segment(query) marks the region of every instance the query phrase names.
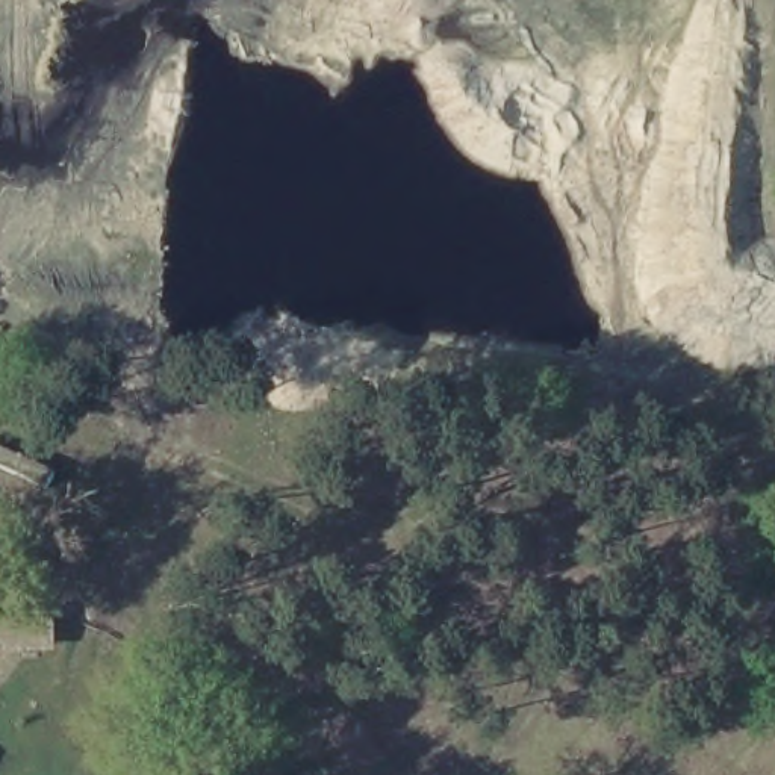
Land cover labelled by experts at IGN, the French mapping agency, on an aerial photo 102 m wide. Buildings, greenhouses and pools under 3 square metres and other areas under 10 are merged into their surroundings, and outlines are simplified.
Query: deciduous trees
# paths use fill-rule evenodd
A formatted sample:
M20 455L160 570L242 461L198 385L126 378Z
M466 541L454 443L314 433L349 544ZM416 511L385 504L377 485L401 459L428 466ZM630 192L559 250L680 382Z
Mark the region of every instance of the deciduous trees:
M54 593L48 590L48 578L54 581L58 575L64 575L70 560L82 560L85 542L79 530L67 527L64 518L82 509L85 490L48 487L42 481L30 487L0 475L0 633L45 633L51 627L54 621L48 618L48 612Z
M269 391L254 384L251 369L239 366L227 336L209 330L200 339L173 339L157 369L157 391L170 400L197 400L209 412L218 412L224 418L230 412L257 412L269 403Z
M121 372L112 372L112 354L103 342L70 342L70 348L61 357L48 360L45 345L33 333L33 321L12 330L0 330L0 448L18 451L39 463L39 457L58 454L61 439L76 433L85 415L112 415L112 388L124 384L124 378Z
M245 775L251 763L263 757L282 757L285 751L297 748L297 736L279 727L282 708L275 705L272 690L251 678L245 669L239 669L224 645L209 642L206 636L191 624L191 612L173 612L170 599L154 602L145 630L139 636L124 636L121 654L109 657L103 669L88 672L82 684L91 687L91 699L67 717L67 727L73 739L82 745L85 763L94 775Z

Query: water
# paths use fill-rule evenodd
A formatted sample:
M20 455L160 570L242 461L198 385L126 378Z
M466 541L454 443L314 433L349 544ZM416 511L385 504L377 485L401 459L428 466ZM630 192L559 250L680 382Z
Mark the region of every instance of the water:
M421 342L427 342L430 333L490 333L496 339L512 342L578 348L581 339L593 339L602 327L596 309L587 303L581 291L566 236L542 188L530 179L509 179L469 160L439 124L412 61L378 58L372 67L366 67L363 61L351 61L348 85L339 94L330 94L318 76L282 64L245 64L236 54L230 54L227 39L215 36L209 45L194 45L188 51L182 118L176 124L173 163L167 173L160 309L170 321L167 330L173 339L200 339L209 330L227 336L233 324L254 309L266 312L269 318L288 312L318 327L342 324L360 339L375 339L381 330L418 336Z

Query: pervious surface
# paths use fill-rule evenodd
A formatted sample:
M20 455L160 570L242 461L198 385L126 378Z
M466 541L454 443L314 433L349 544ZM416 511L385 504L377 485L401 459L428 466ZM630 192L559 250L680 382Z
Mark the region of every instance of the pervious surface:
M15 76L24 67L24 61L33 61L30 21L39 12L39 0L0 0L0 3L15 9L15 42L3 51L0 61L0 67L9 67Z

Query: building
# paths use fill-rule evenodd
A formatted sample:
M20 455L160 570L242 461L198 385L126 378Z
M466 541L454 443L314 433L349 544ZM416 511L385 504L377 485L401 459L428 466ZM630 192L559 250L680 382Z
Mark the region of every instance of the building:
M0 657L9 657L18 666L24 657L51 651L51 627L45 633L0 633Z

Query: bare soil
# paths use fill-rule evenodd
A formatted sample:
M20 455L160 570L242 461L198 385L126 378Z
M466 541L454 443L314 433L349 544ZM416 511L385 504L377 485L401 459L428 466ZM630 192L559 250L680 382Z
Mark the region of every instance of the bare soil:
M412 61L439 124L469 160L509 179L530 179L542 188L566 236L581 291L587 303L596 309L602 327L593 339L581 339L578 348L512 342L496 339L490 333L430 333L427 342L421 342L418 336L381 330L375 339L360 339L342 324L318 327L288 312L269 318L266 312L254 309L233 324L227 336L239 366L251 369L254 384L269 391L269 403L285 412L315 409L327 403L324 381L333 378L342 372L357 375L378 394L388 394L409 381L433 378L442 384L448 378L481 381L484 372L496 372L500 381L515 369L542 369L551 366L560 375L566 375L569 394L575 397L578 391L584 391L584 400L590 406L605 406L608 400L651 400L660 406L708 406L721 378L721 369L736 369L745 381L754 381L760 375L775 378L775 0L39 0L39 12L30 21L33 61L24 61L24 67L15 76L9 67L0 67L0 330L12 330L33 321L33 333L45 345L48 360L61 357L70 348L70 342L103 342L112 354L112 372L121 372L124 378L124 384L112 388L112 415L121 439L115 439L109 454L133 457L148 469L170 469L191 460L200 460L200 466L206 466L218 454L224 418L218 412L209 412L197 400L170 400L157 391L157 369L173 339L167 330L170 321L160 309L167 173L173 163L176 124L182 118L188 51L194 45L209 45L215 36L227 39L230 54L236 54L245 64L282 64L318 76L330 94L339 94L348 85L351 61L363 61L366 67L372 67L378 58Z
M0 61L3 51L15 42L15 9L0 3Z

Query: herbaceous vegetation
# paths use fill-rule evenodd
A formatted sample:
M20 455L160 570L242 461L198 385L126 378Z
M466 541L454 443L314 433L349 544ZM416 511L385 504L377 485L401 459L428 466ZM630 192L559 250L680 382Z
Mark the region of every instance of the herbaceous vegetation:
M533 400L533 391L539 388L542 369L515 369L500 381L503 409L521 415Z
M569 602L572 593L593 584L590 575L602 578L612 572L602 557L590 569L578 563L575 548L584 539L599 542L599 536L593 536L584 527L590 518L584 509L575 506L572 496L554 490L527 509L515 509L509 500L509 466L496 451L490 451L478 460L478 475L463 481L457 503L457 515L466 524L478 524L478 554L472 560L451 563L442 569L430 566L424 578L415 581L418 590L427 590L427 612L418 612L415 624L427 636L439 630L445 621L457 621L463 636L484 645L490 636L500 633L515 593L527 581L536 581L539 590L545 590L545 602L557 612ZM515 575L503 575L500 581L493 581L487 563L496 548L500 524L512 524L518 530L521 554L515 560Z
M58 575L54 581L48 578L48 590L54 593L48 612L48 618L54 621L51 627L51 651L24 657L18 666L9 657L0 657L0 775L94 775L85 763L82 745L73 739L67 727L67 717L91 699L91 687L82 684L88 672L103 669L109 657L121 654L124 636L139 636L145 630L154 602L148 602L145 593L163 575L167 563L176 554L182 554L191 539L203 548L212 539L215 521L206 518L212 496L233 493L251 524L263 524L269 506L285 503L291 512L282 521L285 545L266 545L260 551L254 539L245 539L233 551L239 572L227 578L227 584L221 587L221 618L209 624L206 636L209 642L224 645L239 669L245 669L251 678L272 690L275 705L282 708L279 727L297 736L297 748L285 751L282 757L263 757L251 763L245 775L775 775L775 736L751 736L742 727L751 705L751 672L745 669L745 663L727 663L724 702L711 699L708 669L699 663L699 645L684 633L684 624L675 621L666 630L666 639L654 663L666 681L681 681L684 687L690 687L693 702L699 702L708 711L717 736L696 739L678 757L663 760L645 748L645 742L636 733L627 733L621 724L599 724L593 714L584 711L584 705L590 702L590 684L596 678L621 681L621 675L627 672L621 660L630 654L630 648L639 645L651 618L657 615L657 593L645 596L645 608L633 618L618 612L599 612L599 602L587 605L590 654L596 660L584 666L575 663L566 669L560 666L551 684L539 681L533 687L527 681L512 681L487 690L475 663L469 663L457 678L463 687L478 687L481 696L490 696L493 705L500 705L500 717L509 721L509 730L500 739L481 736L475 721L451 721L454 702L436 705L430 699L427 672L415 675L403 693L394 690L369 699L342 699L336 687L327 681L327 675L309 672L303 663L297 669L282 669L251 645L245 645L233 630L242 602L269 602L282 587L291 593L300 581L306 581L315 572L312 563L318 557L339 557L339 566L345 566L351 587L363 587L375 575L391 578L391 560L384 554L391 548L406 548L415 539L418 527L427 524L427 509L421 509L412 500L412 484L403 478L403 472L388 466L381 430L375 424L360 436L363 454L345 457L351 493L348 506L324 506L318 493L294 484L291 478L282 478L285 457L297 445L300 424L324 424L333 415L333 409L348 406L339 394L342 388L333 378L324 381L327 403L315 409L285 412L269 403L257 412L230 412L224 418L218 454L206 466L200 466L200 460L191 460L170 469L148 469L133 457L109 454L115 439L121 439L112 415L85 415L76 433L61 439L58 454L39 457L39 463L42 481L48 487L85 490L82 509L64 518L67 527L79 530L85 542L82 560L70 560L64 575Z
M621 496L630 478L621 466L615 466L605 472L602 490L608 506Z
M445 403L457 409L460 397L484 397L481 381L448 378L442 384Z
M627 521L615 527L608 539L602 539L602 551L608 557L618 557L627 539L642 536L645 548L663 563L669 593L675 596L675 602L681 608L693 608L696 593L687 560L687 542L708 533L711 545L717 548L721 572L742 599L742 612L730 621L724 636L742 642L751 651L775 648L775 551L766 560L760 560L754 554L754 545L763 539L763 533L754 524L748 524L748 509L736 503L717 506L714 496L702 496L687 509L678 503L675 521L666 521L654 509L648 512L642 527L636 521Z
M763 448L760 418L754 412L736 409L721 378L708 406L660 406L663 421L669 427L678 427L681 433L687 433L696 424L708 424L717 433L721 451L705 460L705 472L714 481L739 487L742 493L763 493L769 484L775 484L775 454Z
M578 463L575 436L587 427L593 415L615 412L618 421L636 424L639 406L651 400L608 400L605 406L590 406L584 400L584 391L578 391L575 397L569 394L566 406L539 412L530 421L539 448L551 445L554 451L566 451L566 469Z

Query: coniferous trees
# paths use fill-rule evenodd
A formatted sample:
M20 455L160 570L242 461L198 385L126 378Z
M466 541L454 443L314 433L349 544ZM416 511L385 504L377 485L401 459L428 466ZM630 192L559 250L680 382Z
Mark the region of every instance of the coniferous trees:
M233 551L245 539L254 539L260 551L266 545L285 545L282 521L291 512L285 503L269 506L263 524L251 524L233 493L212 496L206 518L215 521L212 539L203 548L191 539L182 554L176 554L167 563L163 575L145 593L148 602L154 602L170 599L173 612L191 612L191 624L206 636L209 624L221 618L221 587L227 584L227 578L239 572Z
M515 575L515 560L521 554L518 530L512 524L500 524L496 548L487 563L493 581L500 581L503 575Z
M684 624L684 633L699 645L699 663L708 669L711 699L724 702L727 663L745 663L745 669L751 672L751 705L742 727L751 736L775 736L775 648L751 651L742 642L724 636L730 621L742 612L742 599L721 572L717 548L711 545L708 533L687 542L687 560L696 593L693 608L681 608L675 602L675 596L669 593L663 563L645 548L642 536L627 539L618 557L608 557L602 551L602 539L608 539L615 527L627 521L636 521L642 527L648 512L654 509L666 521L675 521L678 503L687 509L702 496L714 496L717 506L736 503L748 509L748 524L754 524L763 533L763 539L754 545L754 554L760 560L766 560L775 551L775 484L769 484L763 493L742 493L739 487L714 481L705 472L705 460L721 451L717 433L708 424L696 424L687 433L681 433L678 427L669 427L663 421L660 406L651 400L639 406L636 424L618 421L615 412L593 415L587 427L575 436L578 463L566 469L566 451L554 451L551 445L539 448L530 421L539 412L566 406L569 394L566 375L560 375L551 366L542 369L539 388L533 391L533 400L521 415L503 409L500 381L496 372L484 372L481 381L484 397L460 397L457 409L445 403L442 384L433 378L409 381L388 394L378 394L357 375L342 372L333 378L342 388L339 394L348 406L333 409L333 415L324 424L300 424L297 445L285 457L282 478L291 478L294 484L318 493L324 506L348 506L351 493L345 457L363 454L360 436L375 424L381 430L388 466L403 472L403 478L412 484L412 500L421 509L427 509L427 524L418 527L415 539L406 548L391 548L384 554L391 560L391 578L375 575L363 587L351 587L345 566L339 566L339 557L318 557L312 563L315 572L306 581L300 581L291 593L282 587L269 602L242 602L233 630L245 645L251 645L282 669L297 669L303 663L309 672L327 675L327 681L336 687L342 699L369 699L394 690L403 693L415 675L427 672L430 699L436 705L454 702L451 721L475 721L481 736L500 739L509 730L509 721L500 717L500 705L493 705L490 696L481 696L478 687L463 687L457 678L469 663L475 663L487 690L512 681L527 681L533 687L539 681L551 684L560 666L566 669L575 663L584 666L596 660L590 654L587 605L599 602L599 612L618 612L633 618L645 608L645 596L657 593L657 615L651 618L639 645L630 648L630 654L621 660L627 672L621 675L621 681L596 678L590 684L590 702L584 705L584 711L593 714L599 724L621 724L627 733L636 733L645 742L645 748L663 760L678 757L696 739L717 736L708 711L699 702L693 702L690 687L684 687L681 681L666 681L654 663L666 639L666 630L675 621ZM463 636L457 621L445 621L439 630L427 636L415 624L418 612L427 612L427 590L418 590L415 581L424 578L430 566L442 569L451 563L472 560L478 554L478 524L466 524L457 515L457 503L463 481L478 475L478 460L490 451L496 451L509 466L509 500L515 509L527 509L554 490L572 496L575 506L584 509L590 518L584 527L593 536L599 536L599 542L584 539L575 548L578 563L590 569L602 557L612 572L602 578L590 575L593 584L572 593L569 602L557 612L545 602L545 590L539 590L536 581L527 581L515 593L500 633L490 636L484 645ZM605 472L615 466L621 466L630 478L621 496L608 506L602 490Z
M754 381L745 381L736 369L721 369L721 378L736 409L754 412L760 418L763 448L775 454L775 378L760 375Z

